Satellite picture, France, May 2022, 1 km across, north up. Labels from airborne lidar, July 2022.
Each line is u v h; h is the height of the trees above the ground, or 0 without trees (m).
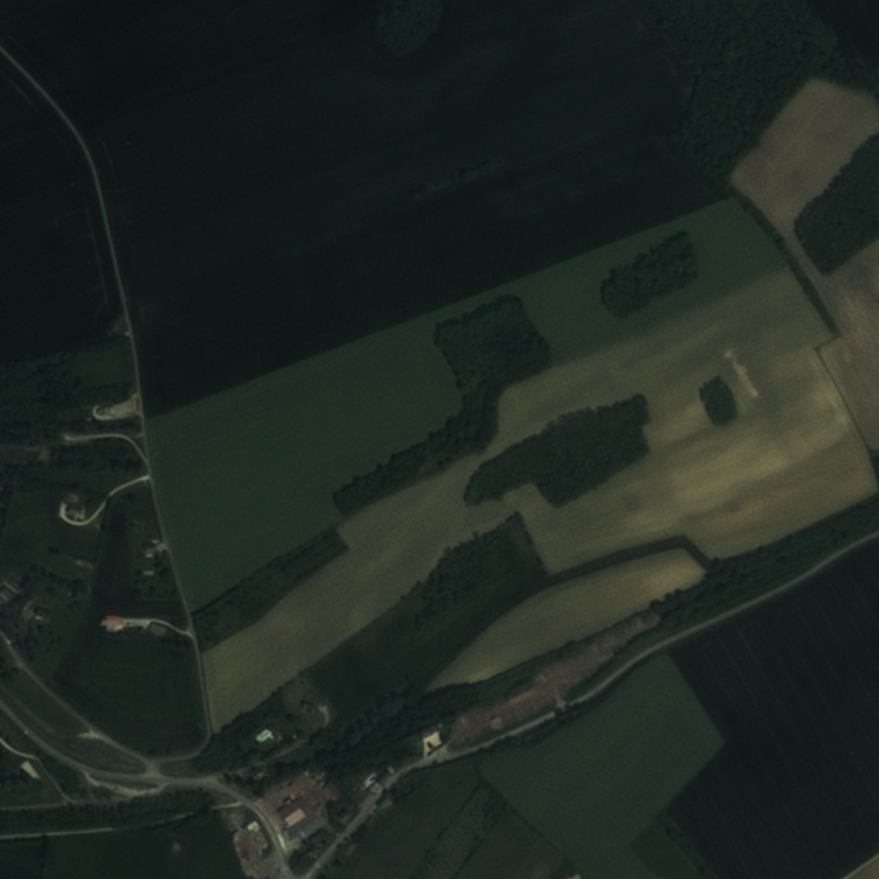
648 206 0
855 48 0
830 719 0
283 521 0
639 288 16
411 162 0
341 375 0
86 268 0
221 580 0
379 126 0
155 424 0
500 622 0
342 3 0
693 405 0
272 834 0
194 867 0
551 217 0
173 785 0
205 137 0
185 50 0
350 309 0
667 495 0
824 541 7
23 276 0
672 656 0
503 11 0
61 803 0
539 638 0
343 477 0
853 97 0
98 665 0
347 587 0
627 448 13
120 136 0
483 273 0
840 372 0
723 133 19
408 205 0
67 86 0
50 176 0
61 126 0
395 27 24
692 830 0
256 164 0
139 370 0
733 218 0
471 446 11
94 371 0
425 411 0
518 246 0
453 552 17
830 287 0
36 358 6
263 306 0
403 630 0
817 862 0
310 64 0
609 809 0
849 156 0
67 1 0
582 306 0
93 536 0
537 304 0
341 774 10
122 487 0
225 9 0
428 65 0
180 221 0
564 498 15
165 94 0
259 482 0
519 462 14
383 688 0
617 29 0
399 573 0
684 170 0
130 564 0
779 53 20
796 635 0
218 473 0
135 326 0
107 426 10
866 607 0
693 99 11
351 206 0
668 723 0
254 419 0
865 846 0
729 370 0
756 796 0
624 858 0
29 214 0
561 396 0
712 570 8
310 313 0
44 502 0
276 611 0
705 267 0
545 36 0
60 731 0
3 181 0
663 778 0
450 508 0
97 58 0
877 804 0
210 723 0
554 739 0
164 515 0
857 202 18
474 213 0
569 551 0
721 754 0
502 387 10
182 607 0
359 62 0
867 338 0
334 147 0
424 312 0
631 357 0
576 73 0
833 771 0
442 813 0
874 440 0
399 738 15
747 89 19
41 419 15
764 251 0
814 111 0
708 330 0
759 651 0
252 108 0
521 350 7
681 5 21
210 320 0
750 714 0
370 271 0
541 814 0
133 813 15
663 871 0
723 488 0
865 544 0
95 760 0
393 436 0
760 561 6
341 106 0
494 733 0
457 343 19
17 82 0
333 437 0
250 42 0
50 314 0
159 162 0
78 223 0
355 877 0
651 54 0
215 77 0
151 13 0
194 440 0
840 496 0
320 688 0
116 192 0
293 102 0
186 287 0
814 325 0
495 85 0
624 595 0
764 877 0
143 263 0
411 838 0
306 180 0
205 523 0
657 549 0
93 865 0
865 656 0
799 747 0
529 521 0
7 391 16
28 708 0
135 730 0
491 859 0
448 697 9
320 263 0
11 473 8
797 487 0
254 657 0
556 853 0
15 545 0
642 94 0
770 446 0
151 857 0
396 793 11
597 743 0
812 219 17
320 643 0
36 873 0
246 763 15
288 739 9
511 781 0
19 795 18
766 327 0
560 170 0
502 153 0
